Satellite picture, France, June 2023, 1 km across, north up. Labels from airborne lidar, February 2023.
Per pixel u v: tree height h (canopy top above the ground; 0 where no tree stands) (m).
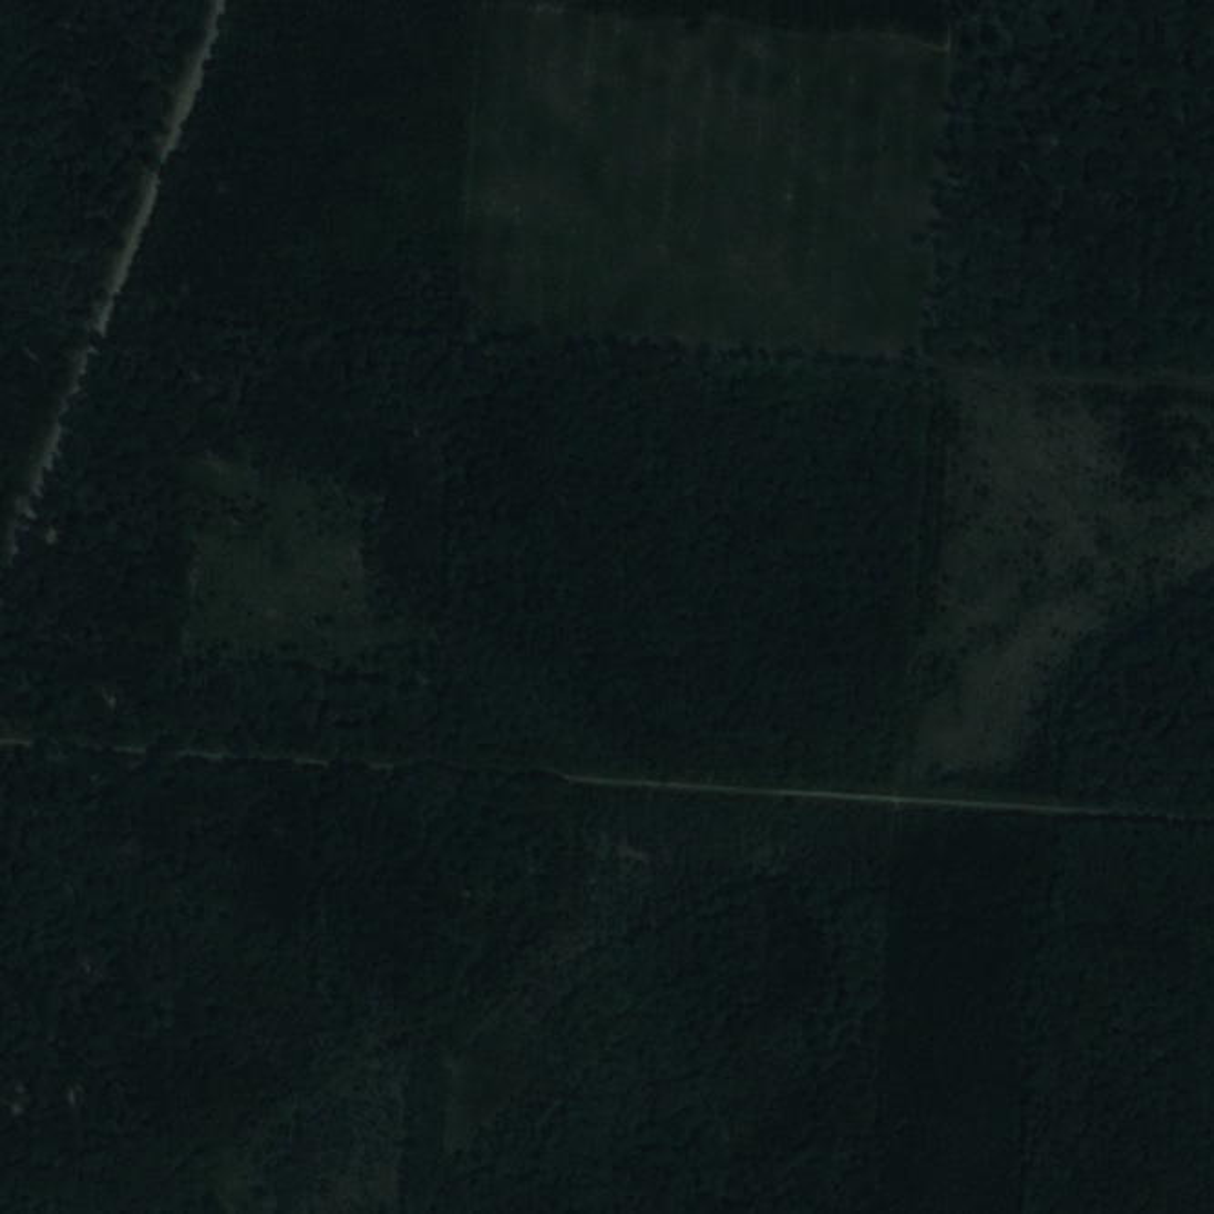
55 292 25
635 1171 27
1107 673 24
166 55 27
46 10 25
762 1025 15
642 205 0
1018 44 32
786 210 0
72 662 29
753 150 0
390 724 30
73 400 0
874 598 27
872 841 10
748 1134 22
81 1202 24
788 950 18
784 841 7
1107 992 25
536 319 0
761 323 0
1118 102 30
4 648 28
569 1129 23
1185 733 33
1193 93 31
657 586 29
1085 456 0
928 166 0
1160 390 9
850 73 0
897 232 0
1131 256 27
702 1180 29
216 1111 24
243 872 9
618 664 25
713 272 0
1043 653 0
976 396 0
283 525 0
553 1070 12
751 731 28
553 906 22
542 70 0
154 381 27
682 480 27
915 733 0
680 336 0
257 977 16
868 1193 29
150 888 25
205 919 25
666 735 27
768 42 0
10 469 26
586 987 11
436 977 26
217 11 0
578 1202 28
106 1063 31
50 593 31
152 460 26
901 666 25
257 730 25
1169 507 0
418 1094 19
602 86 0
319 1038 28
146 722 23
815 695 29
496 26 0
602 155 0
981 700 0
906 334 0
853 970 31
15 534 0
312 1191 15
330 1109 22
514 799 30
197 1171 21
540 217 0
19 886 26
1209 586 22
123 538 29
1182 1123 27
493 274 0
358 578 0
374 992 29
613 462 29
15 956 28
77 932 29
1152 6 32
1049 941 25
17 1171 26
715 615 26
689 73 0
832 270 0
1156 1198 29
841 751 25
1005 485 0
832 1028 30
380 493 20
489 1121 0
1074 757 24
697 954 22
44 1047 31
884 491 29
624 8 7
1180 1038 28
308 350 28
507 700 28
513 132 0
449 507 25
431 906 30
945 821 8
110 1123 25
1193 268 27
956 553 0
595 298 0
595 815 7
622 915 7
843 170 0
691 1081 24
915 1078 15
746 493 29
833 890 8
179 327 30
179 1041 30
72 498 24
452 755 23
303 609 0
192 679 25
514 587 26
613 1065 18
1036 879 12
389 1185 0
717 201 0
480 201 0
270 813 14
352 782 29
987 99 30
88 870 25
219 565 0
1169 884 26
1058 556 0
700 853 9
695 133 0
